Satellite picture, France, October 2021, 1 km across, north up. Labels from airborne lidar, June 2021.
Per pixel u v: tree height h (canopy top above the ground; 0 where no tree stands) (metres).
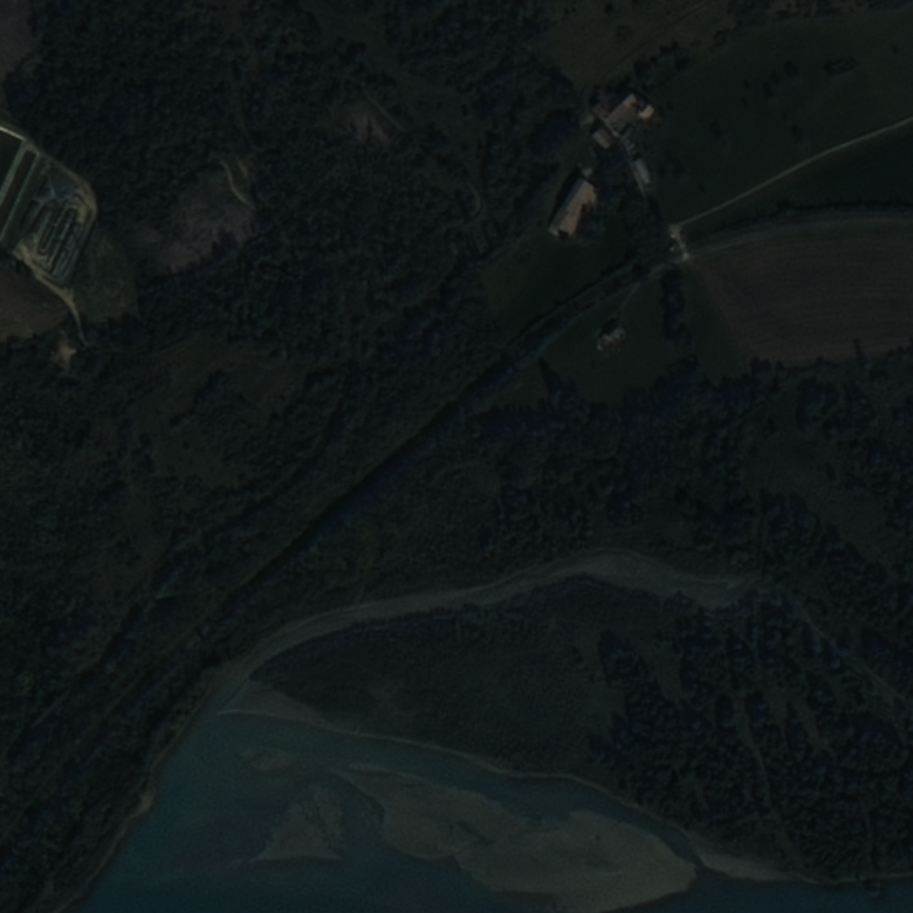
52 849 14
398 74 0
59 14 9
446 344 22
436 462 21
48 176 0
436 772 0
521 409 0
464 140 0
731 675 16
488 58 17
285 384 0
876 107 0
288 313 19
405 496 23
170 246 10
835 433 10
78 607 9
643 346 0
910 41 0
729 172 0
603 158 0
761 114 0
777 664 15
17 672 16
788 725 0
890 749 21
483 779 0
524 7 11
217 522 17
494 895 0
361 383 14
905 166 0
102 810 22
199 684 27
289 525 17
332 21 0
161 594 14
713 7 0
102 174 22
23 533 14
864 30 0
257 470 7
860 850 21
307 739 0
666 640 10
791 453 0
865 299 0
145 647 12
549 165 23
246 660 0
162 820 0
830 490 0
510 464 12
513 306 0
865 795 17
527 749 6
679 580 0
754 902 0
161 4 19
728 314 0
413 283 21
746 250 0
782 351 0
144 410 0
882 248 0
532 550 6
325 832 0
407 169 10
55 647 33
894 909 0
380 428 22
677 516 0
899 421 11
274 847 0
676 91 0
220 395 10
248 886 0
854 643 13
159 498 10
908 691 10
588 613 6
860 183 0
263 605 19
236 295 13
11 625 20
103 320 0
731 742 18
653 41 0
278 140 24
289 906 0
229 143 22
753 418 13
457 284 26
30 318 0
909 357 7
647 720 17
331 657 5
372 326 0
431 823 0
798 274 0
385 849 0
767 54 0
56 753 20
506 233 10
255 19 9
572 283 0
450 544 6
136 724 12
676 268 14
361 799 0
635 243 20
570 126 22
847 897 0
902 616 16
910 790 20
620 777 16
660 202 0
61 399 6
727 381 0
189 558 11
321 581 21
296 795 0
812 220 0
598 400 0
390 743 0
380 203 13
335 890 0
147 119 24
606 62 0
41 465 16
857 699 6
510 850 0
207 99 14
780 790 20
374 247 27
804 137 11
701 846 0
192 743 0
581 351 0
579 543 5
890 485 15
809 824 13
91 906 0
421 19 16
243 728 0
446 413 0
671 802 18
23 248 0
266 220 6
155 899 0
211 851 0
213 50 22
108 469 7
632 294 0
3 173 0
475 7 20
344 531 18
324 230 13
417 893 0
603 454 22
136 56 11
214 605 11
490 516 6
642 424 27
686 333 22
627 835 0
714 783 20
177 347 7
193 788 0
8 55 0
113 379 16
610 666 15
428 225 13
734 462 23
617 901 0
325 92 11
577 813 0
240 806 0
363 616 0
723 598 0
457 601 0
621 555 0
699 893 0
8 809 16
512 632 8
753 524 19
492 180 14
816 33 0
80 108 31
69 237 0
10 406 10
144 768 19
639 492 24
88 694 19
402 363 17
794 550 11
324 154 12
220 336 18
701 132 0
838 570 18
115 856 0
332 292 20
